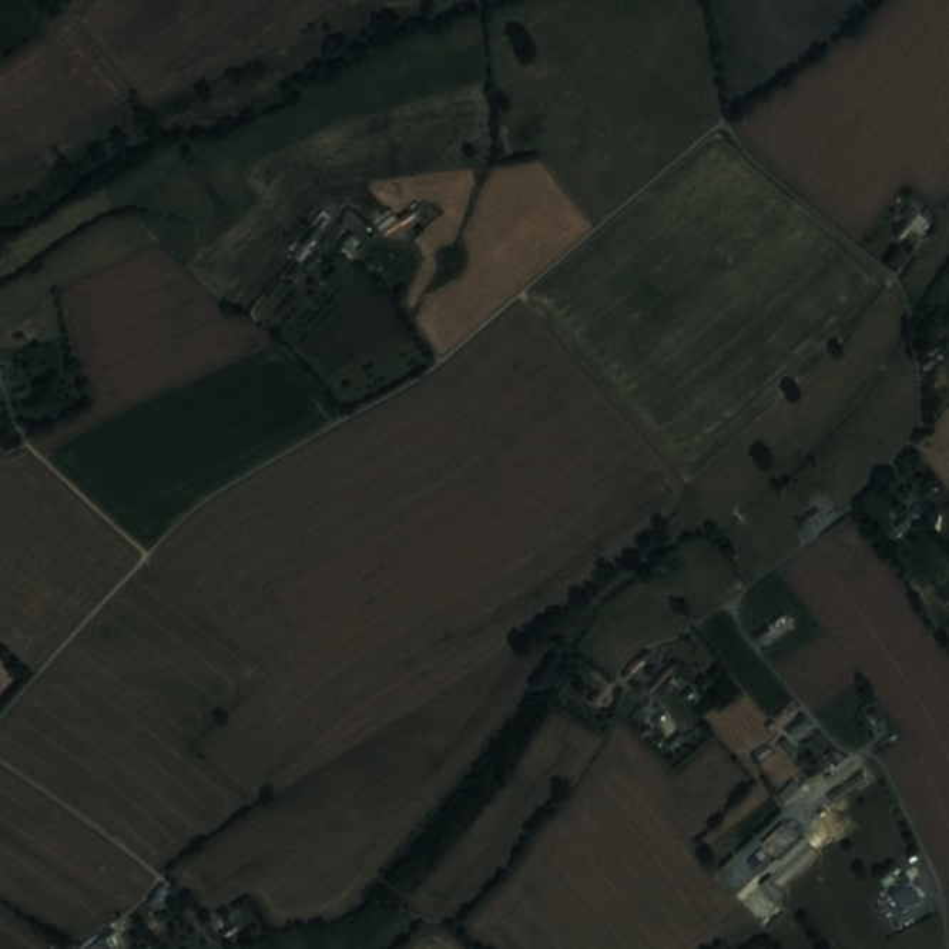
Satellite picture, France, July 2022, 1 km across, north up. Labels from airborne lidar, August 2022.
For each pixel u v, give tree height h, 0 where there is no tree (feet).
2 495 0
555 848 0
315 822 0
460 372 0
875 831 0
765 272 0
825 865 0
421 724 0
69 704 0
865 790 0
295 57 0
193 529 0
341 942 0
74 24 0
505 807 0
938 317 31
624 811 0
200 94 54
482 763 26
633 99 0
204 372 0
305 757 0
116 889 0
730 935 0
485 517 0
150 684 0
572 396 0
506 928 0
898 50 0
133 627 0
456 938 27
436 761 0
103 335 0
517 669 0
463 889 0
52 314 0
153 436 0
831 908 0
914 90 0
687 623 0
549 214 0
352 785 0
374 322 0
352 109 0
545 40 0
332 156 0
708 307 0
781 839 0
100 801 0
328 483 0
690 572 0
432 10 34
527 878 0
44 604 0
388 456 0
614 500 0
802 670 0
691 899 0
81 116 0
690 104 0
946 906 0
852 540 0
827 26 0
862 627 0
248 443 0
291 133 0
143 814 0
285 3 0
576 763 0
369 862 0
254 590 0
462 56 0
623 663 0
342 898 0
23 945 0
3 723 0
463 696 0
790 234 0
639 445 0
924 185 0
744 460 0
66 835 0
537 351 0
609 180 0
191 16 0
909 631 0
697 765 0
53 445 0
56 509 0
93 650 0
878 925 0
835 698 0
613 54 0
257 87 0
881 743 0
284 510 0
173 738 0
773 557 0
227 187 0
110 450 0
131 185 0
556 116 0
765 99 48
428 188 0
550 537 0
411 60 0
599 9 0
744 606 0
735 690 24
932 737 0
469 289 0
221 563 0
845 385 0
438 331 0
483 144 0
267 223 0
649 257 0
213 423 0
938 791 0
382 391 25
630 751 0
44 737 0
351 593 0
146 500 0
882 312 0
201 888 0
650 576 54
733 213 0
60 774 0
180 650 0
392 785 0
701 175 0
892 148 0
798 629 0
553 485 0
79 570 0
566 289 0
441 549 0
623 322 0
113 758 0
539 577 0
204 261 0
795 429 0
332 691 0
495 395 0
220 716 45
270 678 0
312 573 0
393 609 0
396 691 0
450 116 0
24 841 0
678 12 0
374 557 0
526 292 0
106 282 0
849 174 0
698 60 0
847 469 0
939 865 0
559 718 0
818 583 0
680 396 0
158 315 0
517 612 0
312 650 0
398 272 0
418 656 0
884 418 0
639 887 0
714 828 37
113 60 0
